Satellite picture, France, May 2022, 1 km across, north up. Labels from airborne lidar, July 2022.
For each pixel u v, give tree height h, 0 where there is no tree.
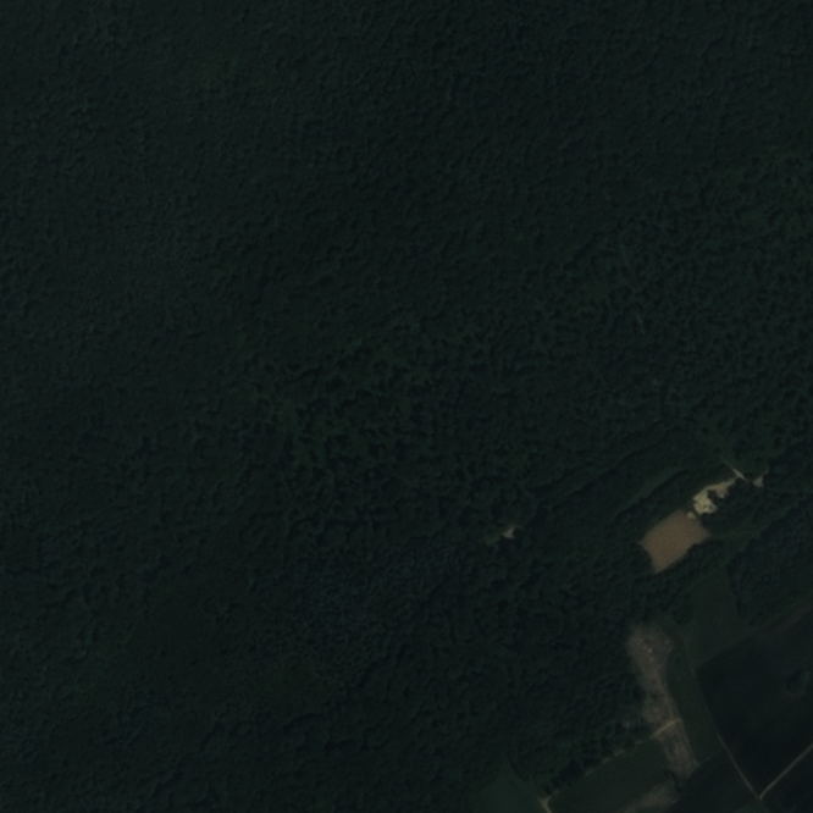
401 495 28
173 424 19
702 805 0
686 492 13
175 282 15
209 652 17
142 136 17
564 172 22
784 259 18
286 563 24
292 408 0
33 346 18
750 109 23
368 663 17
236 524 12
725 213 7
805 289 17
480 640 31
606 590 26
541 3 16
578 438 18
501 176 18
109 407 21
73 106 25
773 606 26
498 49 18
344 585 32
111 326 16
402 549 22
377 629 20
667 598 17
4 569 10
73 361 18
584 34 19
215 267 25
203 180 14
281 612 24
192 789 28
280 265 17
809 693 0
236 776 27
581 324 19
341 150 19
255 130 11
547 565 28
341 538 28
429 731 33
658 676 0
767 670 0
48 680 22
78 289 18
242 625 18
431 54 13
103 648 19
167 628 11
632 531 14
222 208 17
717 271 19
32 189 19
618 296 19
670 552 0
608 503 24
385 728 30
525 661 33
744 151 20
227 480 21
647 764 0
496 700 27
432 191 23
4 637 21
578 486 17
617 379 8
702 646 0
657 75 22
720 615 0
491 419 25
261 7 20
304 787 24
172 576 29
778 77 21
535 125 16
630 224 18
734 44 20
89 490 24
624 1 21
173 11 22
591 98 18
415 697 34
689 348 12
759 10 19
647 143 16
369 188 23
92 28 14
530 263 20
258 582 28
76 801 13
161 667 16
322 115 17
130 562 24
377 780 27
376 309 21
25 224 25
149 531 24
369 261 23
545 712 31
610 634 27
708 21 21
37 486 17
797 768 0
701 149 23
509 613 28
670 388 8
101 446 27
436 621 27
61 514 24
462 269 23
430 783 32
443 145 19
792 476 26
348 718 33
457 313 18
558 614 28
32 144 21
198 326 22
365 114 15
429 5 13
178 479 23
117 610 24
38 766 23
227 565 18
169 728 19
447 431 26
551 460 21
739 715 0
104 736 24
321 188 18
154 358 24
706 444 15
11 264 19
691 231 16
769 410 22
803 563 28
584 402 19
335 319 17
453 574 23
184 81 16
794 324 12
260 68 18
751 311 8
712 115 18
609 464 21
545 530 31
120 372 19
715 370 22
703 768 0
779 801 0
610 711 29
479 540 21
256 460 25
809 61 22
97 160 21
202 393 22
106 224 19
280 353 18
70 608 30
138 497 16
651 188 19
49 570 24
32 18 21
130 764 26
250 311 14
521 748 24
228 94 14
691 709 0
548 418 20
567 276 17
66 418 23
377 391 18
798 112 23
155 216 11
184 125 15
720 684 0
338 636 22
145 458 29
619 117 21
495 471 7
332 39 20
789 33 22
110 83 22
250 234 16
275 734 27
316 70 20
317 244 25
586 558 18
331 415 29
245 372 19
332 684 19
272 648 23
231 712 19
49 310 22
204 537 21
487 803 0
